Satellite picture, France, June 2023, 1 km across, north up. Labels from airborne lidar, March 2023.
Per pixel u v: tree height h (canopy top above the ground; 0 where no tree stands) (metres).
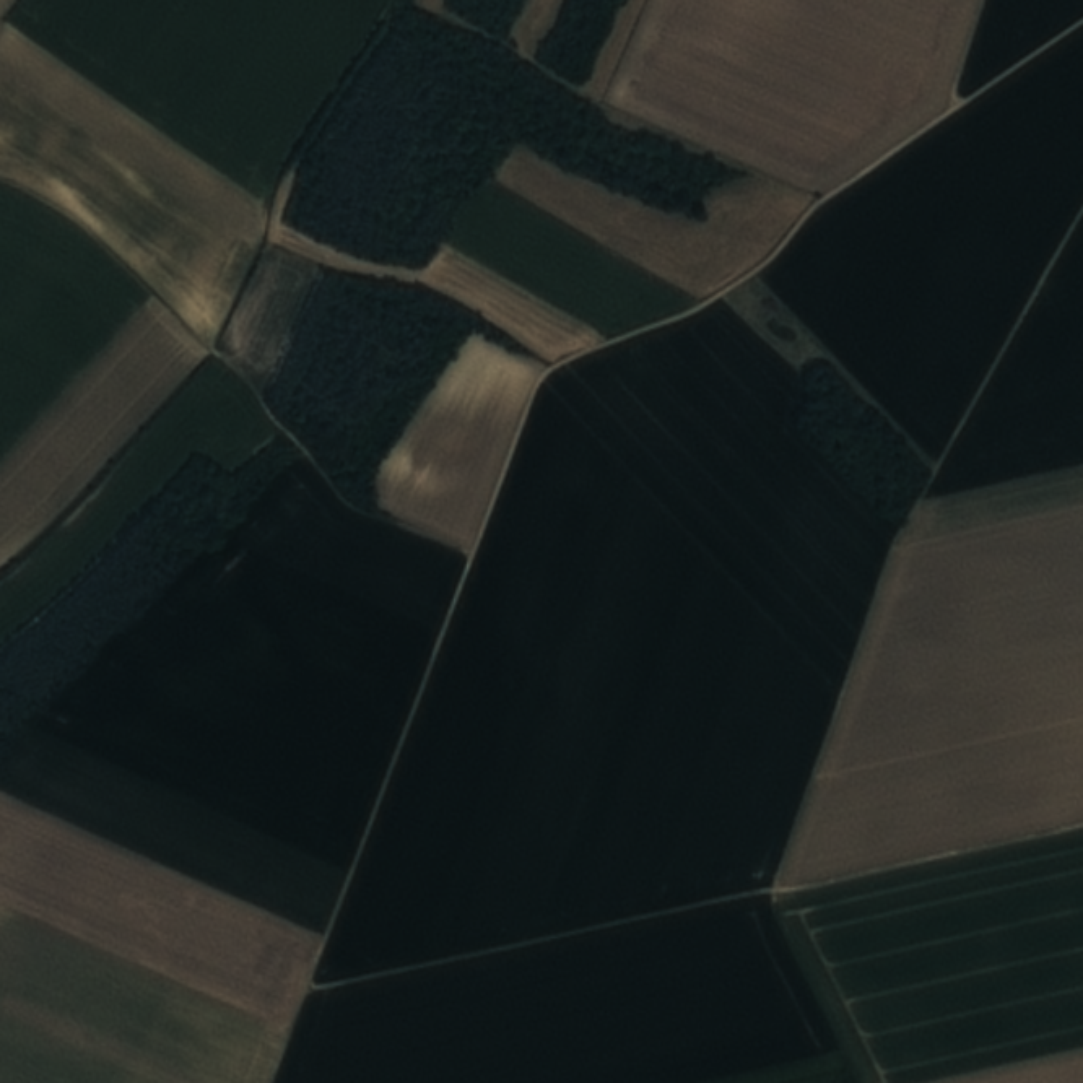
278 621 0
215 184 0
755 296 0
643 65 0
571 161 15
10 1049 0
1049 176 0
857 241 0
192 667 0
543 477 0
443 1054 0
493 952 0
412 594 0
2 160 0
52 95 0
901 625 0
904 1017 0
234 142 0
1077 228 0
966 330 0
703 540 0
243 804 0
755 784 0
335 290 15
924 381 0
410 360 7
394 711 0
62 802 0
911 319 0
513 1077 0
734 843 0
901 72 0
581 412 0
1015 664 0
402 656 0
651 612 0
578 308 0
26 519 0
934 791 0
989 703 0
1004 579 0
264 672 0
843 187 0
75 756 0
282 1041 0
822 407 17
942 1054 0
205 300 0
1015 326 0
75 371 0
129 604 14
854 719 0
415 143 14
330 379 15
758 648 0
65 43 0
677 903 0
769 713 0
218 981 0
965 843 0
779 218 0
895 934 0
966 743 0
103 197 0
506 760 0
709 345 0
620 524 0
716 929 0
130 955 0
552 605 0
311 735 0
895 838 0
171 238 0
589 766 0
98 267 0
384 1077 0
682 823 0
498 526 0
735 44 0
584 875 0
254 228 0
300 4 0
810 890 0
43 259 0
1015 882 0
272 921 0
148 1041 0
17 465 0
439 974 0
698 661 0
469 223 0
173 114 0
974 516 0
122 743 0
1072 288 0
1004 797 0
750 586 0
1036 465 0
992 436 0
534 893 0
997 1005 0
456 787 0
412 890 0
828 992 0
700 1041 0
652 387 0
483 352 0
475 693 0
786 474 0
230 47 0
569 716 0
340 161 13
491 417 0
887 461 18
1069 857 0
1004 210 0
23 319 0
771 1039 0
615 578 0
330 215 13
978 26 0
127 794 0
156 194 0
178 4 0
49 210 0
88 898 0
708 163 14
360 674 0
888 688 0
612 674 0
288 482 0
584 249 0
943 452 0
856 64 0
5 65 0
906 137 0
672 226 0
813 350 0
